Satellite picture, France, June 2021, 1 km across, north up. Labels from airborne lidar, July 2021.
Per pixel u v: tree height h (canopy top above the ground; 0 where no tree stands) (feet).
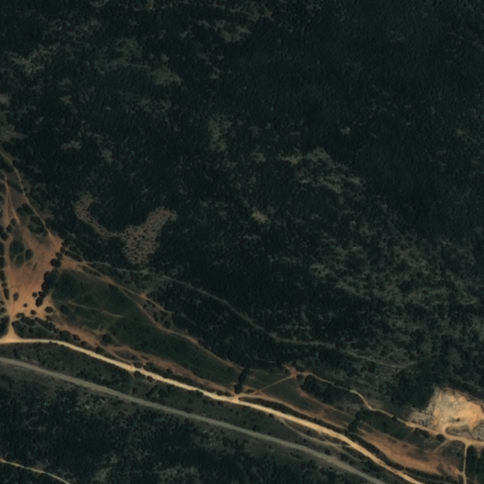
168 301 24
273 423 0
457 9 43
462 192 19
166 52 25
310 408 0
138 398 0
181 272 27
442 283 26
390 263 21
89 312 0
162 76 0
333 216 18
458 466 0
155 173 26
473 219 32
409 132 34
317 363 27
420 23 27
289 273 25
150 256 35
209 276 33
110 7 27
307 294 20
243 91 28
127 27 40
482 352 19
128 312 0
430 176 31
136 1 28
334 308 27
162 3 38
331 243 18
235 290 27
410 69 42
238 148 24
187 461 34
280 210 29
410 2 32
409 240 26
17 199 0
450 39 22
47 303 0
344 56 38
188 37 28
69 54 25
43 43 25
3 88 20
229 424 0
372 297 25
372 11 28
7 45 19
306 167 29
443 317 27
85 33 22
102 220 27
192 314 31
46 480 26
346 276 22
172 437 28
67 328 0
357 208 19
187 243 26
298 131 26
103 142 21
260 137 30
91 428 41
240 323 33
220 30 25
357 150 31
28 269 0
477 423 0
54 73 22
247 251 29
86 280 0
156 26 39
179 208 25
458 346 22
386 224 26
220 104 31
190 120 21
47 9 37
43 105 36
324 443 0
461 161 27
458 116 34
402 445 0
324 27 28
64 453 39
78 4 22
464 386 28
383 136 28
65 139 35
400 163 38
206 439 22
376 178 33
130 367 0
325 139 37
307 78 36
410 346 30
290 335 31
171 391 39
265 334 24
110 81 28
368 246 27
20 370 0
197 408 0
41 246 0
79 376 28
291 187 24
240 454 26
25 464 27
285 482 42
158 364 0
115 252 33
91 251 27
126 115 28
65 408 30
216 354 37
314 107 41
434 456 0
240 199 23
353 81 38
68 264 0
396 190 38
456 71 31
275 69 35
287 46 33
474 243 23
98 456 32
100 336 0
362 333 27
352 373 22
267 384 0
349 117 24
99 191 36
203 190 31
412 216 36
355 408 0
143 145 24
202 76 31
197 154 26
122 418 30
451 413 0
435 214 53
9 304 0
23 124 33
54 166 36
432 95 37
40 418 19
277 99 34
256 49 45
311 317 28
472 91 28
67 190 20
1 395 26
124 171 27
